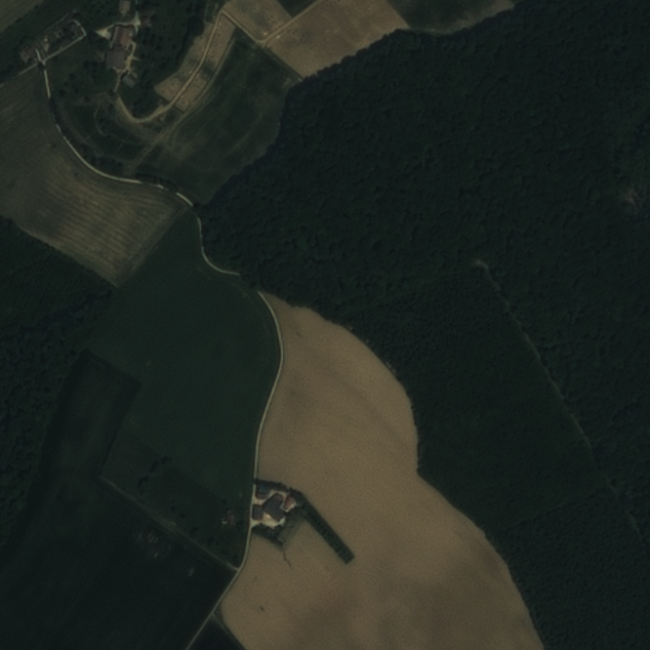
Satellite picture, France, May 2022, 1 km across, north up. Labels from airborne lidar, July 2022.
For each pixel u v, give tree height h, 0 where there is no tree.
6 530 23
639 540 21
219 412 0
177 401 0
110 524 0
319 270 31
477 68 31
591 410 30
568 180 29
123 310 0
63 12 0
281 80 0
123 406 0
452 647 0
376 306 11
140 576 0
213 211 18
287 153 29
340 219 29
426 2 0
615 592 23
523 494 15
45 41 0
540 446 14
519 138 27
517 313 21
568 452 17
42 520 0
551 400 15
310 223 27
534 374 12
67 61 0
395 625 0
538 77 30
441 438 15
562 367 25
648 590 22
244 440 0
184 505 0
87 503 0
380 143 26
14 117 0
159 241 0
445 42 18
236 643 0
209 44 0
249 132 0
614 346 32
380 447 0
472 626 0
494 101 30
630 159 22
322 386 0
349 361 0
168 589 0
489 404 17
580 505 21
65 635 0
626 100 29
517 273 29
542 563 25
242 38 0
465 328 11
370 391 0
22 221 0
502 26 24
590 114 30
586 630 23
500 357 11
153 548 0
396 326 14
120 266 0
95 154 0
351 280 22
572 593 23
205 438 0
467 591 0
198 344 0
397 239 28
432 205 31
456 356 12
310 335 0
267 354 0
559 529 23
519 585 15
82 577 0
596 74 28
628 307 28
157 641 0
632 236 26
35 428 26
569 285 27
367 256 28
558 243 29
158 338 0
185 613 0
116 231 0
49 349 23
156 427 0
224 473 0
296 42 0
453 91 25
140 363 0
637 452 25
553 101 30
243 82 0
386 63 29
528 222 24
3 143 0
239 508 0
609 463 27
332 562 0
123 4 0
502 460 15
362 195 27
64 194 0
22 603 0
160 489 0
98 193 0
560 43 25
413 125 29
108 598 0
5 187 0
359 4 0
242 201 27
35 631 0
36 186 0
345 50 0
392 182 29
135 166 0
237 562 6
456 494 13
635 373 29
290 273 26
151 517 0
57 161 0
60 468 0
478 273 12
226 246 23
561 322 25
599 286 27
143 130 0
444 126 30
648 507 19
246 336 0
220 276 0
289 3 0
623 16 28
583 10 30
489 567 0
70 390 0
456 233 29
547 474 15
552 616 20
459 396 12
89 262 0
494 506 16
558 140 27
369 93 30
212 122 0
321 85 23
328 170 31
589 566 22
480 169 28
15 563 0
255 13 0
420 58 30
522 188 27
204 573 0
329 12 0
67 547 0
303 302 22
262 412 0
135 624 0
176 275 0
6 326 6
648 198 11
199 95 0
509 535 20
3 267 17
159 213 0
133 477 0
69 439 0
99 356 0
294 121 24
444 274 10
